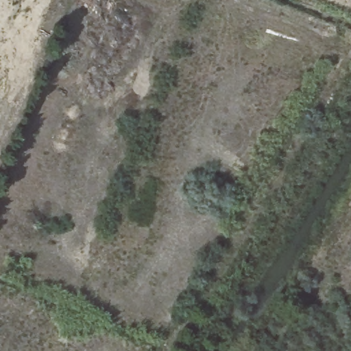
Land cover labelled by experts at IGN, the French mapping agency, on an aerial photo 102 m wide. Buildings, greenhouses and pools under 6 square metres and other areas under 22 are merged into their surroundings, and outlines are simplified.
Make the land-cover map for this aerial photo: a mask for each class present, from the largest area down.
<instances>
[{"label":"herbaceous vegetation","instance_id":"1","mask_svg":"<svg viewBox=\"0 0 351 351\"><path fill-rule=\"evenodd\" d=\"M195 1L206 7L203 21L197 29L186 30L180 23V11L186 10L188 4ZM304 7L313 8L322 15L332 16V22L329 23L273 0H0V155L1 149L10 143L11 133L14 132L16 125L21 122L30 86L33 85L34 73L37 67L44 64L43 47L52 36L56 22L64 30V37L60 38L58 43L59 58L70 53L69 63L59 71L55 90L49 93L41 107L43 125L36 136L33 148L25 151L26 155H30L25 163V177L10 186L8 197L11 203L7 206V213L3 214L7 222L0 229V267L8 265L12 251L18 254L36 252L34 273L37 281L51 278L64 280L74 287H86L96 298L117 307L119 317L123 321L132 324L143 319H151L152 325L159 328L171 321V308L177 296L188 288V278L195 267L193 262L196 261L197 251L218 236H228L226 229L221 228L219 218L214 215L196 217L186 208V196L182 192V185L186 174H193L195 167L202 166L208 160H221L222 171L230 170V173L237 177L243 174L241 167L252 165L254 147L261 143L262 130L274 128L280 119V101L288 100V96L293 95V90L298 88L296 80L303 78V74L307 73L310 67L314 69L318 66L319 56L339 55V62L333 64L326 80H333L339 71L346 75L343 63L351 59V0H300ZM174 41L193 44L192 55L182 56L180 59L171 58L170 47ZM154 58L177 67L178 85L170 90L166 103H159L156 108H145L147 100L144 96L151 86L149 69ZM140 110L147 111L155 121H160V143L156 159H152V162H138L140 175L133 178L134 185L140 189L147 180H152L160 186L154 221L151 225L140 226L129 218H122L118 233L112 234L106 240L95 230L97 204L107 196L110 177L121 165L128 149L125 138L115 133L118 130L117 121L123 112L129 117H140ZM64 214H71L74 221V228L69 232L48 234L38 229V225L41 222H48L51 215L60 217ZM332 213V223L325 226L321 247L317 254L313 255L315 269L324 273L325 278L330 274L335 276V273H340L341 285L347 293L351 292V185L350 191L341 196L336 203L335 210L329 211ZM51 311L45 308L44 304L21 293L16 295L15 288L0 285V351H141L140 347L133 346L132 341H126L118 335H107L104 330H96L92 336H75L70 339L59 337L56 326L49 322Z\"/></svg>","mask_w":351,"mask_h":351},{"label":"brushwood","instance_id":"2","mask_svg":"<svg viewBox=\"0 0 351 351\"><path fill-rule=\"evenodd\" d=\"M329 23L332 22V16L322 15L313 8L304 7L300 0H273ZM206 7L195 1L188 4L186 10L180 11V23L186 30L197 29L203 21ZM64 37V30L56 22L52 36L43 47L44 64L59 58L58 43L60 38ZM193 44L174 41L170 47L171 58L180 59L182 56L192 55ZM339 62V55L319 56L318 66L314 69L310 67L307 73L303 74V78L296 80L298 88L293 90V95L288 96V100L280 101V119L274 128L262 130L261 143L254 147L252 165L241 167L243 174L237 177L240 184L245 186L243 189L234 188L233 199L236 200L237 206L234 213L229 215L226 229L228 236H218L197 251L196 261L193 262L195 267L188 278V288L177 296L171 308V321L159 328L152 325L151 319H143L132 324L123 321L119 317L117 307L96 298L86 287H74L64 280L51 278L37 281L34 273L36 252L18 254L12 251L8 265L0 267V285L15 288L16 295L21 293L44 304L45 308L51 311L49 322L56 326L59 337L70 339L75 336H92L96 330H104L107 335H118L126 341H132L133 346L140 347L141 351H171L178 333L186 325L202 326L211 324L214 319L225 317L233 319L234 324L229 326L232 335H223L222 343L214 344V351H317L315 343L307 336L306 328L314 326L322 336L333 332L337 337H343V330L337 325L335 315L329 313L328 302H335L339 296L343 298L344 303L351 299V292L347 293L341 285L340 273H335V276L330 274L325 278L324 273L315 269L313 255L317 254L321 247L325 226L332 223V213L329 211L335 210L336 203L341 196L350 191L351 185V165L346 181L341 182L335 195L326 203L322 217L315 219L310 237L304 241L295 256L292 270L288 271L287 277L278 282L276 291L271 293L265 307L251 317L248 315L251 314L252 304L256 302L255 288L265 277L267 269L273 265L276 256L285 250L288 241L298 232L304 217L313 207L314 199H317L322 191V184L328 181L341 155L351 145V59L343 63L346 75L339 71L333 80H326L333 64ZM151 86L144 96L147 100L145 108H156L159 103H166L170 90L178 85L177 67L154 58L149 69ZM118 130L115 133L125 138L128 149L121 165L110 177L107 196L97 204L95 230L106 240L112 234L118 233L122 218H129L140 226L151 225L154 221L160 186L152 180H147L140 189L134 185L133 178L140 175L138 162H152V159H156L160 143V121H155L147 111L140 110V117H129L123 112L117 121ZM74 228V221L71 214H64L60 217L51 215L48 222H41L38 225V229L48 234L69 232Z\"/></svg>","mask_w":351,"mask_h":351},{"label":"deciduous trees","instance_id":"3","mask_svg":"<svg viewBox=\"0 0 351 351\"><path fill-rule=\"evenodd\" d=\"M70 53L59 58L44 64L37 67L34 73L33 85L30 86L21 122L16 125L14 132L11 133L10 143L1 149L0 155V229L7 222L3 214L7 213V206L11 203L8 197L10 186L25 177V163L30 155H26L25 151L33 148L36 136L43 125L41 107L49 93L55 90L59 71L69 63ZM245 186L240 184L237 177L230 173V170L222 171L221 160H208L202 166L195 167L193 174H186L182 185V192L186 196V208L196 217L214 215L219 218L221 228L226 229L229 215L234 213L237 206L236 200L233 199L234 188L243 189ZM329 313L335 315L337 325L343 330V337H337L333 332L322 336L314 326L306 328L307 336L315 343L317 351H351V299L344 303L343 298L339 296L335 302H328ZM234 324L233 319L225 317L214 319L211 324L202 326L186 325L178 333L171 351H214V344L222 343L223 335H232L229 326Z\"/></svg>","mask_w":351,"mask_h":351},{"label":"water","instance_id":"4","mask_svg":"<svg viewBox=\"0 0 351 351\"><path fill-rule=\"evenodd\" d=\"M351 165V145L341 155L328 181L322 184V191L317 199H314L313 207L304 217L298 232L288 241L285 250L276 256L273 265L267 269L265 277L255 288L256 302L252 304L251 314L248 315L251 317L265 307L271 293L276 291L278 282L287 277L288 271L292 270L295 256L304 241L310 237L315 219L322 217L326 203L335 195L341 182L346 181Z\"/></svg>","mask_w":351,"mask_h":351}]
</instances>
